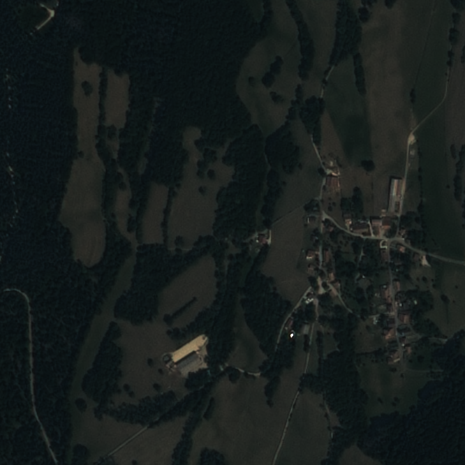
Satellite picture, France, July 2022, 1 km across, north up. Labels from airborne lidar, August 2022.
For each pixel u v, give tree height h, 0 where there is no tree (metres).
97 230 0
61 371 23
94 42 22
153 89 26
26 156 19
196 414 19
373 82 0
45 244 25
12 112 32
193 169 0
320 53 0
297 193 0
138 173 25
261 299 14
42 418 22
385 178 0
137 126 21
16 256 22
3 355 20
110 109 0
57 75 17
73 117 17
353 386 18
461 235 0
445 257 0
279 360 12
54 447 15
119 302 15
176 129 17
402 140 0
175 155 17
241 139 16
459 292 0
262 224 0
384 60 0
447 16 0
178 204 0
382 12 0
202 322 13
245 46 18
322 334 11
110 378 19
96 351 0
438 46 0
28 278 10
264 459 0
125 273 0
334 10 0
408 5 0
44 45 24
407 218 13
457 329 0
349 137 0
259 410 0
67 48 20
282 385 0
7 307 10
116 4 23
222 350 14
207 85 16
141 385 0
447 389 23
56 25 15
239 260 10
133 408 12
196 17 22
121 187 9
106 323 0
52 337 15
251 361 0
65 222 0
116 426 0
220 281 13
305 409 0
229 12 19
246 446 0
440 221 0
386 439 18
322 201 8
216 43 19
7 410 23
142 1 20
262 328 18
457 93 0
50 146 28
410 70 0
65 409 20
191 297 0
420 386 0
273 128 0
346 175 0
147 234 0
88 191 0
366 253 11
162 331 0
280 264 0
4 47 35
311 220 0
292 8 16
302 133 0
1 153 30
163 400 21
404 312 0
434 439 22
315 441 0
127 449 0
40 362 17
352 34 15
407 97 0
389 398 0
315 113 18
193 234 0
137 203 17
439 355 24
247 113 17
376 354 13
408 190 0
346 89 0
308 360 0
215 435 0
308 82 0
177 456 18
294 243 0
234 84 17
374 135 0
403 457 23
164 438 0
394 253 9
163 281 19
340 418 14
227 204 11
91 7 22
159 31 23
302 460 0
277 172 16
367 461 0
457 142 0
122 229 0
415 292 11
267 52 0
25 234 21
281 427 0
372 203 0
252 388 0
